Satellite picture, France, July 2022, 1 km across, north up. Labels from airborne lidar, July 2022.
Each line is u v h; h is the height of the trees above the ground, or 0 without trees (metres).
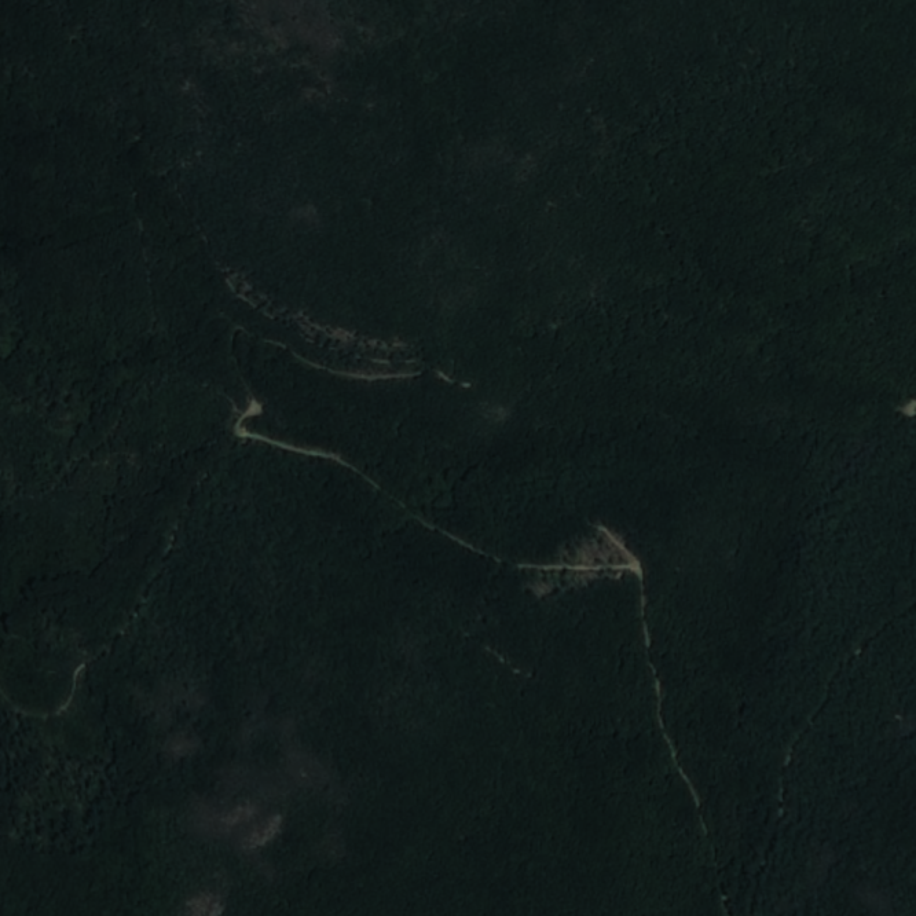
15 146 20
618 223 18
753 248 19
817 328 20
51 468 19
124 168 18
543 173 8
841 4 9
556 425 19
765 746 14
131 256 13
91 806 7
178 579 13
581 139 12
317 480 19
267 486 16
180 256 17
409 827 12
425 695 8
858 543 9
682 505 12
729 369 17
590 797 22
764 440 25
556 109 8
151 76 11
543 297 12
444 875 18
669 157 20
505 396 11
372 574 18
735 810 30
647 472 16
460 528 18
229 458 13
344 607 14
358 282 7
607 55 9
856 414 17
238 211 7
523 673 14
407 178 7
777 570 17
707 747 20
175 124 7
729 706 24
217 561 9
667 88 15
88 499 13
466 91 11
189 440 19
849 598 13
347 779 9
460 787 16
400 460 19
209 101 6
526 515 16
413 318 11
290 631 7
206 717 7
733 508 10
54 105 12
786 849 9
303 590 9
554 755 21
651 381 17
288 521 14
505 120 7
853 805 10
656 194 22
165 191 20
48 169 11
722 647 20
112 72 16
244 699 7
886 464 10
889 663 15
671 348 18
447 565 17
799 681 13
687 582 11
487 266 7
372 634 15
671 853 18
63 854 19
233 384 12
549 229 10
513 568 21
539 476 12
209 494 13
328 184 6
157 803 13
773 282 19
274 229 6
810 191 17
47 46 12
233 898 10
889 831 14
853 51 21
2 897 10
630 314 18
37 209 15
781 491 13
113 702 12
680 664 20
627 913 16
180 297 15
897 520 14
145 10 16
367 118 6
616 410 19
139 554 20
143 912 13
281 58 6
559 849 19
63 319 17
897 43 13
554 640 13
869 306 17
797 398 18
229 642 7
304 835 9
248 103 7
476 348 12
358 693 10
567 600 17
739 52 17
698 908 19
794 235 19
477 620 21
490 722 14
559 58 7
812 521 11
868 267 20
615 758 24
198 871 6
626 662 24
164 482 23
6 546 21
